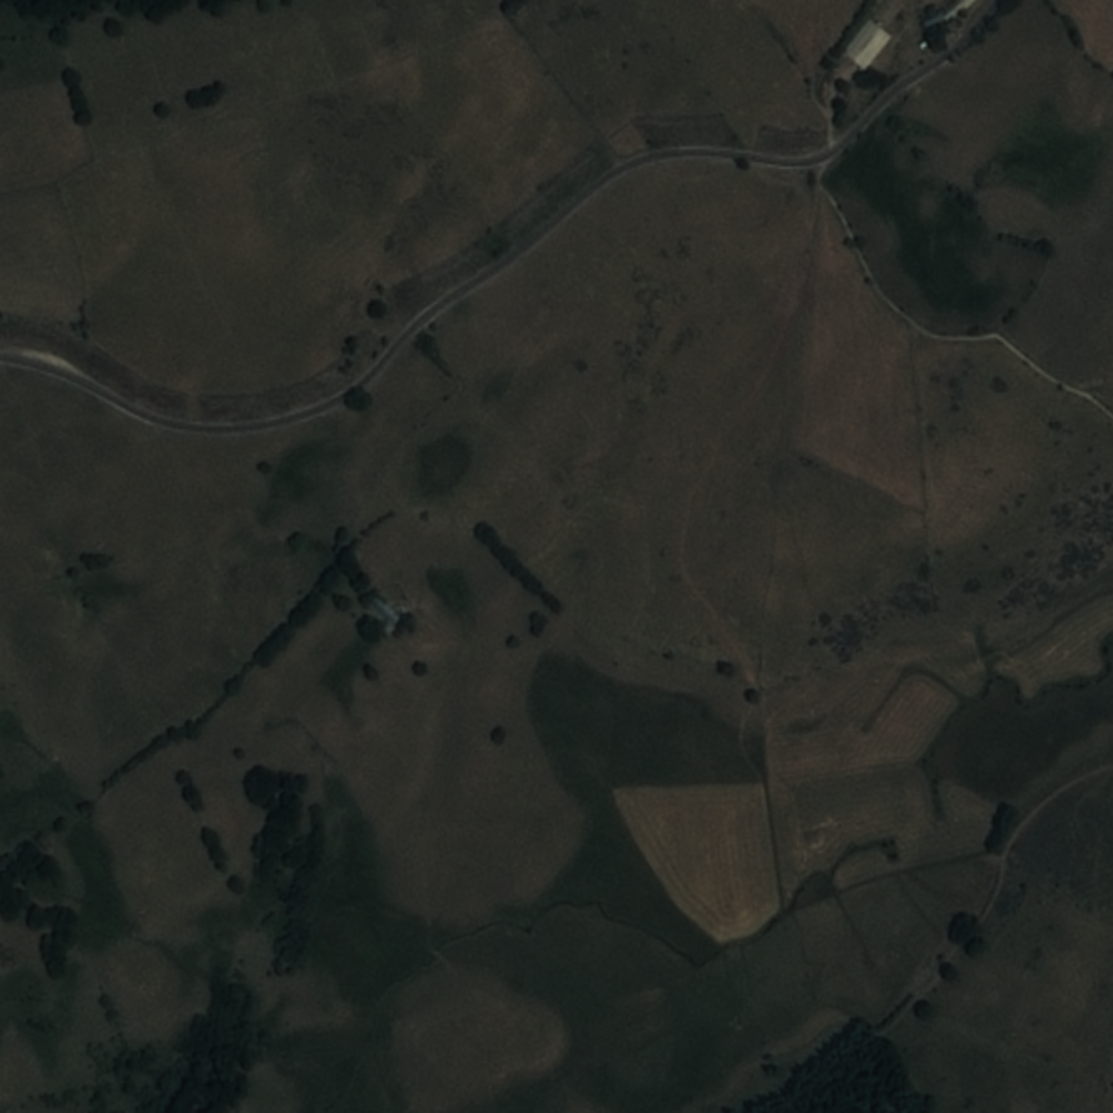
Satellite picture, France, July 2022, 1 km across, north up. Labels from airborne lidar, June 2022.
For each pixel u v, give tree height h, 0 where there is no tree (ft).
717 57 0
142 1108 21
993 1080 0
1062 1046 0
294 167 0
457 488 0
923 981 0
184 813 0
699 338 0
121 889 0
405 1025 0
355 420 0
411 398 0
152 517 0
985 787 0
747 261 0
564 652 0
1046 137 0
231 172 0
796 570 0
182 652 0
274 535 0
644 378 0
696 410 0
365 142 0
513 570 46
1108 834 0
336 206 0
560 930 0
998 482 0
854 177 0
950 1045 0
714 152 0
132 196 0
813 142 0
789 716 0
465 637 0
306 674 0
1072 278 0
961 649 0
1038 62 0
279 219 0
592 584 0
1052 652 0
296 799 63
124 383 0
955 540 0
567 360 0
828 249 0
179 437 0
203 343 0
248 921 0
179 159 0
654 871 0
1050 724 0
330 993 0
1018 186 0
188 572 0
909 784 0
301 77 0
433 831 0
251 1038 23
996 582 0
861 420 0
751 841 0
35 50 0
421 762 0
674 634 0
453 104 0
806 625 0
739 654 0
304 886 37
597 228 0
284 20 0
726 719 0
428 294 0
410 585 0
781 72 0
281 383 0
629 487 0
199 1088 61
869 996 0
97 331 0
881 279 0
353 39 0
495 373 0
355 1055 0
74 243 0
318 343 0
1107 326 0
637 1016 0
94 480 0
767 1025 0
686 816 0
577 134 0
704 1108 0
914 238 0
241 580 0
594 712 0
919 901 0
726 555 0
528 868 0
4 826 0
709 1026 0
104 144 0
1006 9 48
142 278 0
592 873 0
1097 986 0
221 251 0
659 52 0
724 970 0
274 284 0
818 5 0
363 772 0
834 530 0
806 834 0
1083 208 0
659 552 0
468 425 0
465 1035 0
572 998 0
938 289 0
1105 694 0
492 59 0
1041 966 0
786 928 0
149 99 0
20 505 0
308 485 0
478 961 0
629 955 0
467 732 0
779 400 0
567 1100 0
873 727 0
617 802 0
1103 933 0
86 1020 0
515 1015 0
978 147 0
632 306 0
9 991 0
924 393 0
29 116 0
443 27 0
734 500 0
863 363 0
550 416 0
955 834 0
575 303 0
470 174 0
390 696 0
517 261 0
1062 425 0
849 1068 52
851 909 0
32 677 0
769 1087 0
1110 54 0
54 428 0
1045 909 0
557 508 0
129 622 0
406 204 0
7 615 0
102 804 0
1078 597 0
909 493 0
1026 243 28
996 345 0
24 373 0
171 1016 0
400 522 0
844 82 45
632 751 0
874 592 0
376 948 0
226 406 0
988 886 0
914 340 0
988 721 0
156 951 0
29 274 0
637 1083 0
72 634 0
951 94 0
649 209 0
